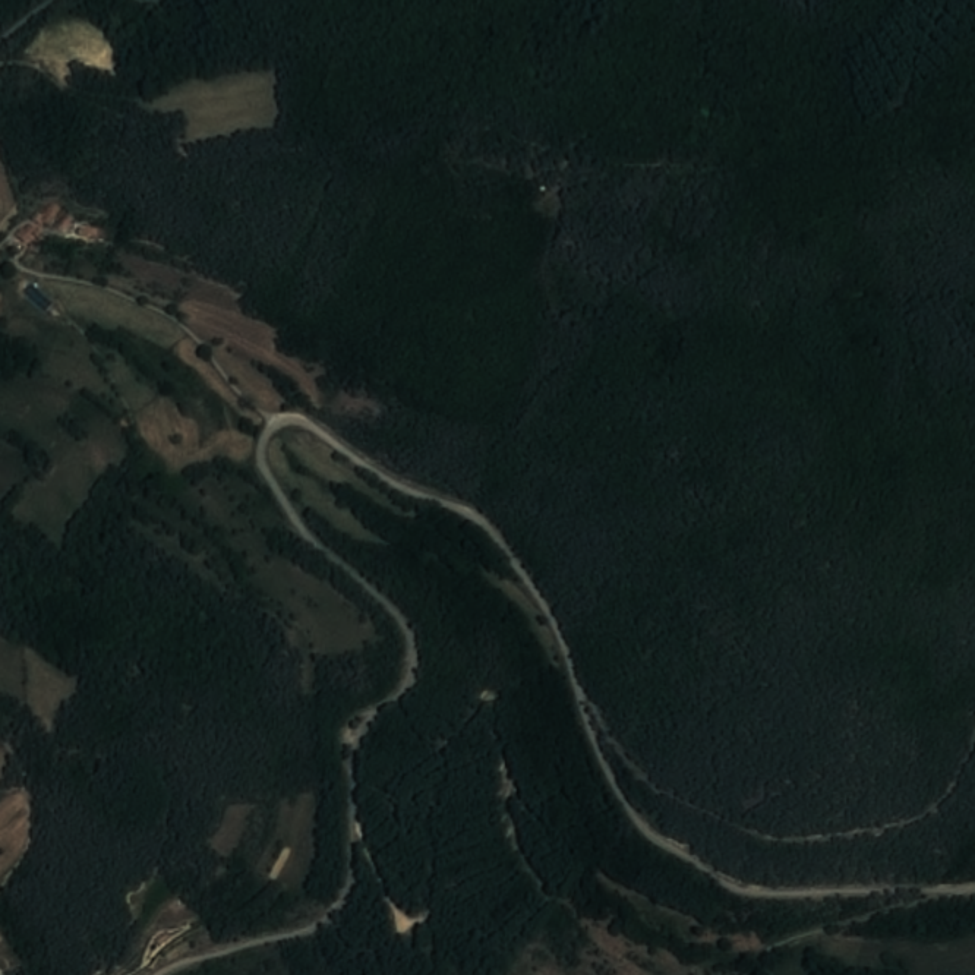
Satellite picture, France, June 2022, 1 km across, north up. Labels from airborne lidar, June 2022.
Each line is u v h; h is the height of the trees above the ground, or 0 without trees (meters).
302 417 0
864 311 22
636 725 8
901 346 21
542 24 19
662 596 11
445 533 23
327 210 12
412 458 16
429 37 12
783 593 11
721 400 10
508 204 12
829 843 8
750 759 13
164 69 16
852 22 15
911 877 9
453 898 20
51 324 0
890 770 12
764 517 7
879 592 10
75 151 7
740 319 9
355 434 11
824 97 14
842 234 13
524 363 12
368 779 20
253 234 11
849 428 20
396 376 10
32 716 12
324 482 0
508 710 24
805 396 14
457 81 14
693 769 11
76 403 0
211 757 15
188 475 11
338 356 10
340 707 23
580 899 13
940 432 20
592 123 13
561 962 6
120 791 20
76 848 14
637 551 11
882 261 16
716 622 9
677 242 6
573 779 13
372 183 14
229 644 14
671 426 14
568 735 11
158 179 12
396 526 25
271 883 11
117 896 11
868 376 20
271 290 10
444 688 20
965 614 9
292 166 10
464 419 11
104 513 17
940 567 10
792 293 13
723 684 8
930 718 14
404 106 14
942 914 9
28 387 0
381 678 10
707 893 17
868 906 11
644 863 19
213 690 16
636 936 16
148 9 18
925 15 15
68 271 6
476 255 5
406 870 22
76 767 9
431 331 11
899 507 14
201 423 0
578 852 19
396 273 12
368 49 15
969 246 19
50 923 11
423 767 20
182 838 16
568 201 15
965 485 17
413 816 22
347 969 22
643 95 16
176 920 0
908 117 11
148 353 0
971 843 14
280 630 17
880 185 10
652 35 15
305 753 17
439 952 11
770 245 10
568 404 11
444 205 9
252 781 13
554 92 18
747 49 15
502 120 15
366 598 17
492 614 28
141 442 10
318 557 17
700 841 17
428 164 8
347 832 16
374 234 8
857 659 15
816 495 11
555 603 11
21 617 11
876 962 0
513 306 13
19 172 9
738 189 9
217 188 11
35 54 0
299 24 14
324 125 9
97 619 20
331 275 11
